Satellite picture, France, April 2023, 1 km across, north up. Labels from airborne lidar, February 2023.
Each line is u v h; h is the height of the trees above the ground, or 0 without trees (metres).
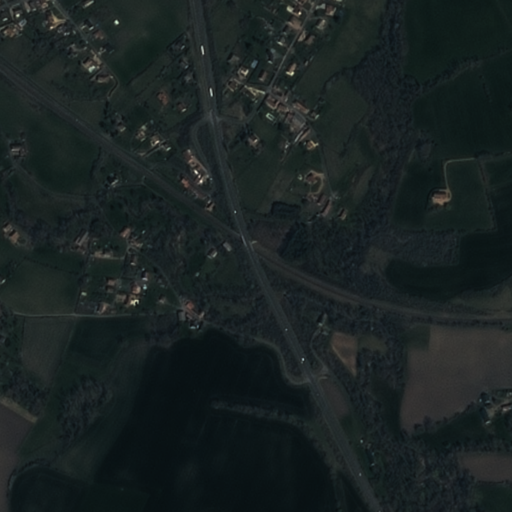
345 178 0
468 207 0
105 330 0
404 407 0
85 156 0
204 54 0
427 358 0
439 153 0
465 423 0
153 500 0
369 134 18
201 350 0
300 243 23
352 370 0
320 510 0
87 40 0
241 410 12
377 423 17
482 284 0
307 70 0
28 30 0
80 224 13
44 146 0
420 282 0
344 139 0
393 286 0
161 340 24
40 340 0
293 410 0
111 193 20
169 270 20
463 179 0
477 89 0
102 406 8
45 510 0
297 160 0
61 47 8
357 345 0
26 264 0
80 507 0
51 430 0
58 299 0
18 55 0
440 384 0
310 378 0
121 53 0
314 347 7
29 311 0
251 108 7
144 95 0
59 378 0
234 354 0
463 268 0
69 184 0
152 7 0
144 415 0
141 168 0
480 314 7
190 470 0
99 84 0
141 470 0
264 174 0
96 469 0
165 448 0
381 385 0
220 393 0
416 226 0
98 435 0
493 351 0
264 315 17
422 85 7
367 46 0
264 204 0
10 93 0
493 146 0
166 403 0
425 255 8
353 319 20
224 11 0
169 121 0
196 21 0
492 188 0
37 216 0
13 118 0
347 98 0
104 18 0
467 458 0
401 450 21
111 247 11
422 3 0
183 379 0
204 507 0
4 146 0
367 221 19
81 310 0
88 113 0
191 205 0
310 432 13
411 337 0
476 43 0
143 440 0
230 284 0
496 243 0
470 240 0
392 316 7
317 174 0
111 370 0
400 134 22
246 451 0
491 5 0
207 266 0
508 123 0
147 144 0
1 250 0
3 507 0
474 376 0
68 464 0
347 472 10
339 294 0
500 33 0
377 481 9
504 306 0
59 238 16
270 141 0
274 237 15
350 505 0
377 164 0
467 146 0
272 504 0
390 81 30
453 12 0
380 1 0
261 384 0
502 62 0
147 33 0
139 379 0
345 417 0
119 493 0
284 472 0
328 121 0
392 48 32
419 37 0
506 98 0
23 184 0
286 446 0
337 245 20
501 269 0
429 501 13
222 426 0
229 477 0
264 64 0
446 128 0
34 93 0
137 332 0
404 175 0
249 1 0
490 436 0
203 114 7
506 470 0
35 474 0
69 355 0
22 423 0
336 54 0
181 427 0
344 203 0
